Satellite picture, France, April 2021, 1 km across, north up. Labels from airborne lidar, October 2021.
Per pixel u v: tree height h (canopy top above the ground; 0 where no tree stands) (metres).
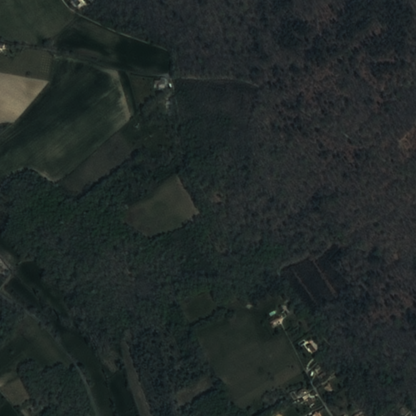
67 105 0
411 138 9
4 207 21
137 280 16
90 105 0
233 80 8
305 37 25
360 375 16
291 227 17
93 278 20
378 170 13
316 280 7
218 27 17
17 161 0
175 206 0
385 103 22
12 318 21
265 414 19
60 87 0
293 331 7
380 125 12
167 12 17
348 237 15
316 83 8
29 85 0
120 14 20
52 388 21
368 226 11
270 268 19
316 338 14
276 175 18
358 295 14
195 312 0
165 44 15
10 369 0
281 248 17
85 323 20
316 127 16
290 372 0
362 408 18
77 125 0
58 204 15
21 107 0
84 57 0
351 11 20
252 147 14
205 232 23
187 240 9
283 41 17
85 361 0
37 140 0
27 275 0
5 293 0
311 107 14
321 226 18
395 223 19
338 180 14
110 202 20
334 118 12
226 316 10
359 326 13
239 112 8
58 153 0
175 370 16
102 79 0
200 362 19
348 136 18
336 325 19
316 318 24
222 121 11
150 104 19
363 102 18
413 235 19
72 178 0
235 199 17
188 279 24
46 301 0
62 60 0
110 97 0
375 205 12
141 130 0
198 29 19
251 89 7
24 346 0
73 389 22
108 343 27
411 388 18
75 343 0
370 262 18
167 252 17
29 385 23
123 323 19
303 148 13
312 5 16
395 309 9
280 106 6
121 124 0
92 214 22
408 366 26
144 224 0
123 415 0
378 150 14
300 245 18
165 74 0
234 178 16
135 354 8
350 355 20
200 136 24
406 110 17
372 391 17
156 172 8
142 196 22
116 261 20
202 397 19
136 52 0
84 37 0
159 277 16
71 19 0
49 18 0
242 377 0
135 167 7
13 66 0
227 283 27
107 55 0
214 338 0
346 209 17
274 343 0
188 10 18
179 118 18
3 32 0
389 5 25
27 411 0
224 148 15
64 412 17
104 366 0
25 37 0
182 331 9
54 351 0
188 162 20
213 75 16
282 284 17
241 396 0
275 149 15
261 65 18
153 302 22
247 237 20
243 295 25
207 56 11
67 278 27
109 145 0
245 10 21
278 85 10
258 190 13
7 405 0
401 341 17
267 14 23
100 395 0
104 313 18
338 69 11
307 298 9
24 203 26
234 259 22
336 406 8
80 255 16
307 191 12
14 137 0
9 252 0
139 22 23
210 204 20
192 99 9
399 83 16
